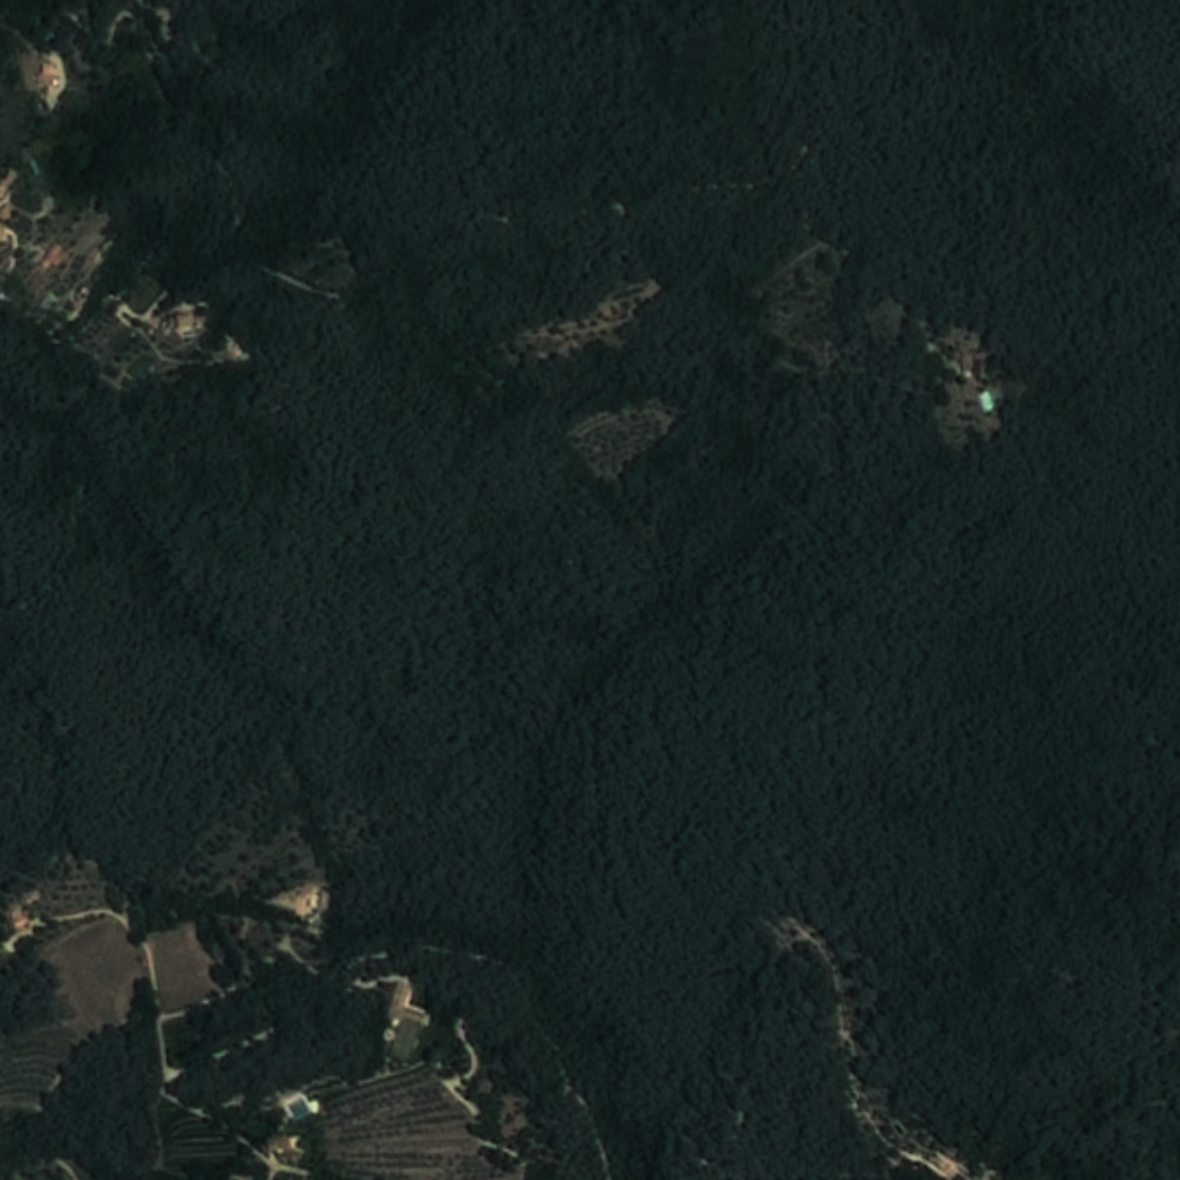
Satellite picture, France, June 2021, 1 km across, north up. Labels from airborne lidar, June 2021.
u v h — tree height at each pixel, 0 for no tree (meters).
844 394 16
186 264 12
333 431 18
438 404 18
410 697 23
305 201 13
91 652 21
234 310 19
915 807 12
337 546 22
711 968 17
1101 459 20
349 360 17
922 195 24
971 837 18
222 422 17
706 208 20
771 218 10
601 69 16
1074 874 13
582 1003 13
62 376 9
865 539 16
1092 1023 23
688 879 16
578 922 19
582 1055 10
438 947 8
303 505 20
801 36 15
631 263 19
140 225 18
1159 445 13
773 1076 16
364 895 19
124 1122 23
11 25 7
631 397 15
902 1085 14
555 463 19
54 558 15
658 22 21
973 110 14
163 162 16
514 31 21
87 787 16
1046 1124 20
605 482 14
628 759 17
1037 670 17
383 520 21
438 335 11
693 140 13
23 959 18
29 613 15
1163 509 17
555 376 15
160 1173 11
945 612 17
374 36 12
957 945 19
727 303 9
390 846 15
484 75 20
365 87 16
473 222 18
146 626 20
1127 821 8
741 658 21
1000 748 17
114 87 15
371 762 15
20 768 14
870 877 15
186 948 0
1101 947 20
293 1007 13
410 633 8
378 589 22
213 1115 14
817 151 15
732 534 10
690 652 19
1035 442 17
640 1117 18
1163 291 17
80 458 18
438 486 13
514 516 17
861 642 19
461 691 20
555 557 16
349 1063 20
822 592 18
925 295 17
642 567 24
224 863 0
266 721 17
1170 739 16
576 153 12
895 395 19
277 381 19
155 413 19
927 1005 17
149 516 18
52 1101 16
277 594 19
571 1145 20
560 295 16
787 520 19
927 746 17
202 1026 8
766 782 14
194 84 18
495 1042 18
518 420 21
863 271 17
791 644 18
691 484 16
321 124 16
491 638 21
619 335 12
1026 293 18
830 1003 15
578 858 16
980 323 23
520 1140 11
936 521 18
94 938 0
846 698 17
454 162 17
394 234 17
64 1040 0
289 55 14
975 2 13
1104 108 10
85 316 7
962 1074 16
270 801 14
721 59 8
